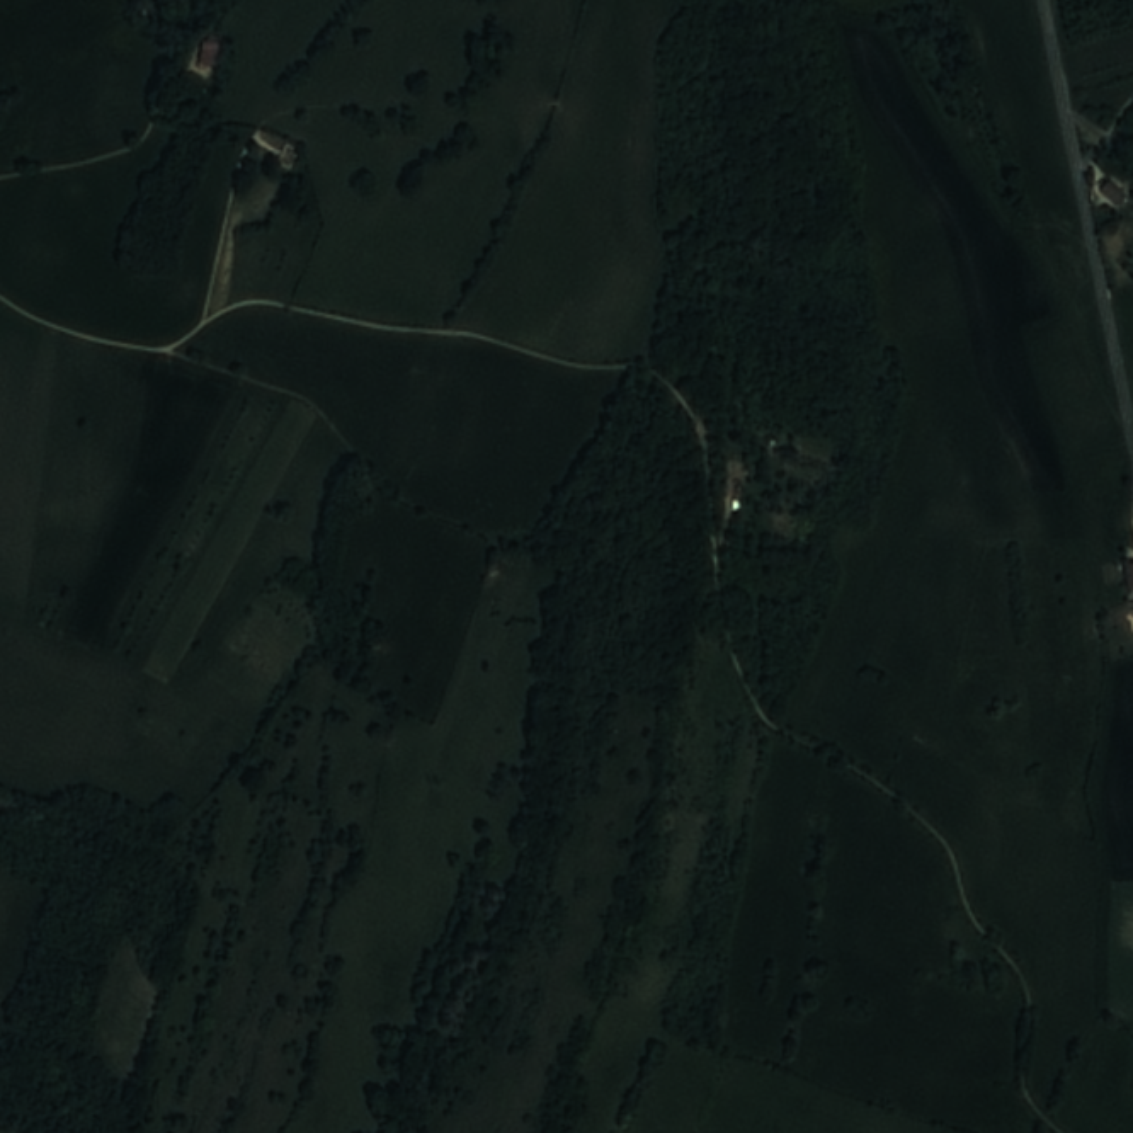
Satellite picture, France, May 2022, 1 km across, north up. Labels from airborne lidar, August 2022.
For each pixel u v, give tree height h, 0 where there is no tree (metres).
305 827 0
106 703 0
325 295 0
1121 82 7
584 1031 9
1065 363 0
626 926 7
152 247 8
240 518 0
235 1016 0
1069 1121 0
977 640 0
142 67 0
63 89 0
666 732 8
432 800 0
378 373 0
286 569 9
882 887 0
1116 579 0
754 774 6
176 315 0
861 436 19
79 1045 8
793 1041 8
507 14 0
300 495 0
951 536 0
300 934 7
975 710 0
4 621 0
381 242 0
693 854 0
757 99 17
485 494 0
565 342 0
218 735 0
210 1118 0
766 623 20
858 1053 0
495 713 0
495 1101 0
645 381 10
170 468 0
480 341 0
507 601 0
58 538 0
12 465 0
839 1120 0
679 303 13
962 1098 0
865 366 17
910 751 0
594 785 8
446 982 11
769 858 0
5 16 0
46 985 14
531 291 0
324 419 0
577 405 0
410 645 0
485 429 0
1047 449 0
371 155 0
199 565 0
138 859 11
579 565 10
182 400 0
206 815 6
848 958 0
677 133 6
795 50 16
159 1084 6
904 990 0
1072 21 8
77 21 0
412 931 0
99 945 13
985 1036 0
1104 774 0
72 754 0
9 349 0
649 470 8
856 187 17
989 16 0
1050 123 0
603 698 7
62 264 0
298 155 14
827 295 22
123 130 0
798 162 16
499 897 17
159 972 10
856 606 0
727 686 0
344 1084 0
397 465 0
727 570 15
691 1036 6
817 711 0
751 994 0
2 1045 9
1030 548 0
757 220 17
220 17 14
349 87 0
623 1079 0
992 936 15
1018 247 0
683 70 8
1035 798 0
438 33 0
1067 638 0
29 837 17
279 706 9
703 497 10
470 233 0
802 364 20
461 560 0
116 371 0
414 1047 15
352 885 11
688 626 12
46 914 15
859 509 11
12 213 0
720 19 9
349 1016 0
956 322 0
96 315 0
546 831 8
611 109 0
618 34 0
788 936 0
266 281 0
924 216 0
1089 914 0
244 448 0
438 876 0
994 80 0
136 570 0
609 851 0
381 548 0
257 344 0
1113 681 0
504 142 0
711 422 13
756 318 14
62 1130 16
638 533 6
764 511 9
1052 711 0
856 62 0
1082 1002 0
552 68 0
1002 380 0
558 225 0
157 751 0
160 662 0
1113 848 0
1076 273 0
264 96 0
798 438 9
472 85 9
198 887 6
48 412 0
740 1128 0
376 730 12
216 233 0
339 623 17
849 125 18
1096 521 0
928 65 20
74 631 0
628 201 0
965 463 0
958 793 0
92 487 0
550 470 0
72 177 0
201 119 12
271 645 0
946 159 0
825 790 0
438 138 0
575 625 6
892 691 0
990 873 0
